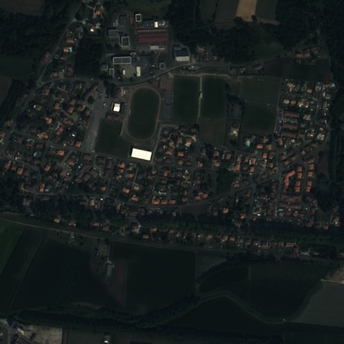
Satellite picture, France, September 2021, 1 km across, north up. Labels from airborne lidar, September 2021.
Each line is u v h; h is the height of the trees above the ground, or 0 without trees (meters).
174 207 0
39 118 8
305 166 0
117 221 31
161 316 30
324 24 22
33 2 0
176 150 10
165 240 10
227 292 0
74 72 12
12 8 0
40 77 0
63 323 26
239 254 10
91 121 0
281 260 14
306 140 0
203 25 15
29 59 0
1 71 0
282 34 21
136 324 22
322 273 0
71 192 0
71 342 0
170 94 0
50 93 7
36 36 15
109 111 0
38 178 0
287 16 16
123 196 17
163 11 0
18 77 0
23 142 7
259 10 0
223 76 0
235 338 20
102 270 0
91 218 30
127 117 0
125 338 0
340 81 15
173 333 32
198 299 13
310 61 5
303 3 7
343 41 25
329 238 28
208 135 0
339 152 12
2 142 0
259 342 25
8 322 0
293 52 7
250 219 0
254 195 7
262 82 0
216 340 26
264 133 0
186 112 0
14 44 14
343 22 26
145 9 0
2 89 0
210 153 11
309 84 0
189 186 0
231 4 0
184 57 0
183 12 20
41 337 0
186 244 6
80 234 0
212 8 0
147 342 0
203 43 11
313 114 6
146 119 0
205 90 0
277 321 0
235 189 0
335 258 18
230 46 24
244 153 0
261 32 0
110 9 14
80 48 10
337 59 13
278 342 30
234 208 6
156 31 0
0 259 0
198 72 0
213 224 32
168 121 0
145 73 0
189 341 12
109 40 0
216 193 0
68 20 8
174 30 12
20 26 20
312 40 7
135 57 0
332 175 21
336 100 9
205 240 0
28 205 0
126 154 0
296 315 0
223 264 11
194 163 0
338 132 30
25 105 0
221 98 0
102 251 0
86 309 0
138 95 0
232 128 0
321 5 0
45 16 17
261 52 0
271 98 0
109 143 0
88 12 0
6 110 18
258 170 0
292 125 0
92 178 0
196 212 0
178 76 0
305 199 9
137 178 0
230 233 29
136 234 12
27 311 0
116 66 14
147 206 0
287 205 0
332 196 12
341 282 0
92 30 0
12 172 10
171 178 11
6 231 0
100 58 17
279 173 0
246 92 0
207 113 0
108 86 10
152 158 0
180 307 28
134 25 14
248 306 0
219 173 6
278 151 0
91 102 9
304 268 0
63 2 15
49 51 7
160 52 0
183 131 7
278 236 39
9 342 0
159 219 33
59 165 0
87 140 0
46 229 0
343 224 15
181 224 33
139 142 0
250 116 0
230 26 0
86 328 23
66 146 0
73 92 0
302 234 33
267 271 0
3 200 27
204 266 0
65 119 0
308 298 0
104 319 0
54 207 31
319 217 0
